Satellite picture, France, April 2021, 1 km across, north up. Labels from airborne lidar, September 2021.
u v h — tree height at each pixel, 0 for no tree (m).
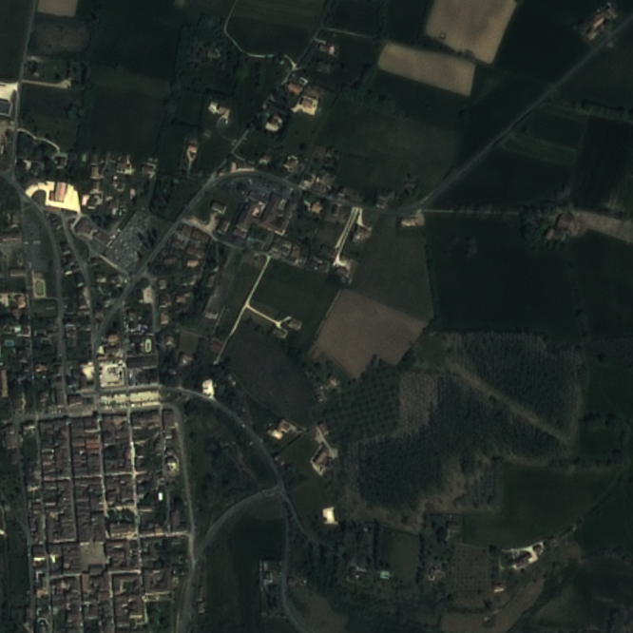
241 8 0
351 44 0
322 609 0
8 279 8
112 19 0
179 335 10
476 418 24
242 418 10
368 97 18
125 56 0
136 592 0
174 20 0
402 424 17
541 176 0
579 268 0
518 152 0
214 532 0
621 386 0
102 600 0
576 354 18
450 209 7
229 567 0
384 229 0
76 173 13
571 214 8
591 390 0
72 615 0
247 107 0
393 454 23
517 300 0
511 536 0
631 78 0
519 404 23
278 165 9
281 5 0
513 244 0
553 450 25
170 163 0
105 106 0
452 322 0
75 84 11
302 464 0
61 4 0
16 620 7
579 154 0
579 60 0
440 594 11
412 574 0
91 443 0
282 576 0
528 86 0
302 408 0
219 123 0
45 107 0
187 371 16
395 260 0
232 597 0
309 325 0
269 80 0
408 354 6
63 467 0
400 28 0
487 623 0
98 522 0
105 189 0
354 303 0
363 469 22
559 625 0
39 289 0
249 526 0
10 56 0
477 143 0
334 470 13
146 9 0
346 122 0
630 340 9
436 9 0
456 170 8
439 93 0
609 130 0
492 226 0
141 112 0
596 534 0
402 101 0
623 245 0
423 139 0
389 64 0
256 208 0
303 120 0
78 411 0
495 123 0
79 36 0
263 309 0
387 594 9
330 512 0
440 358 0
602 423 17
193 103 0
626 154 0
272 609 16
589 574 0
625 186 0
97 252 0
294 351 7
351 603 7
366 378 6
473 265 0
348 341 0
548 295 0
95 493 0
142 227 0
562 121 0
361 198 7
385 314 0
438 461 23
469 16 0
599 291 0
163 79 0
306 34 0
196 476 9
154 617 16
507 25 0
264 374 0
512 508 0
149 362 0
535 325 0
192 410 12
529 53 0
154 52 0
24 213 0
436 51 0
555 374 26
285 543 0
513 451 20
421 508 20
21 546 0
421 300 0
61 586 0
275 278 0
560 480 0
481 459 17
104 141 0
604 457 0
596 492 0
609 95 0
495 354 23
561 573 0
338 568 19
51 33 0
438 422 23
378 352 0
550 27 0
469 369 22
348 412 11
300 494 0
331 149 10
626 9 0
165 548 19
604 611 0
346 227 0
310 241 8
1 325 12
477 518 0
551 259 0
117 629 6
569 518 0
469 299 0
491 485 14
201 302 14
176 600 7
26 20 0
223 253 12
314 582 7
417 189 9
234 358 0
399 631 0
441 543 15
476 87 0
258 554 0
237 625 0
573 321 0
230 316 0
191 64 8
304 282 0
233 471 10
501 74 0
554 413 23
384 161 0
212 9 0
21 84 0
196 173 8
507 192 0
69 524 0
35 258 0
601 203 0
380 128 0
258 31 0
